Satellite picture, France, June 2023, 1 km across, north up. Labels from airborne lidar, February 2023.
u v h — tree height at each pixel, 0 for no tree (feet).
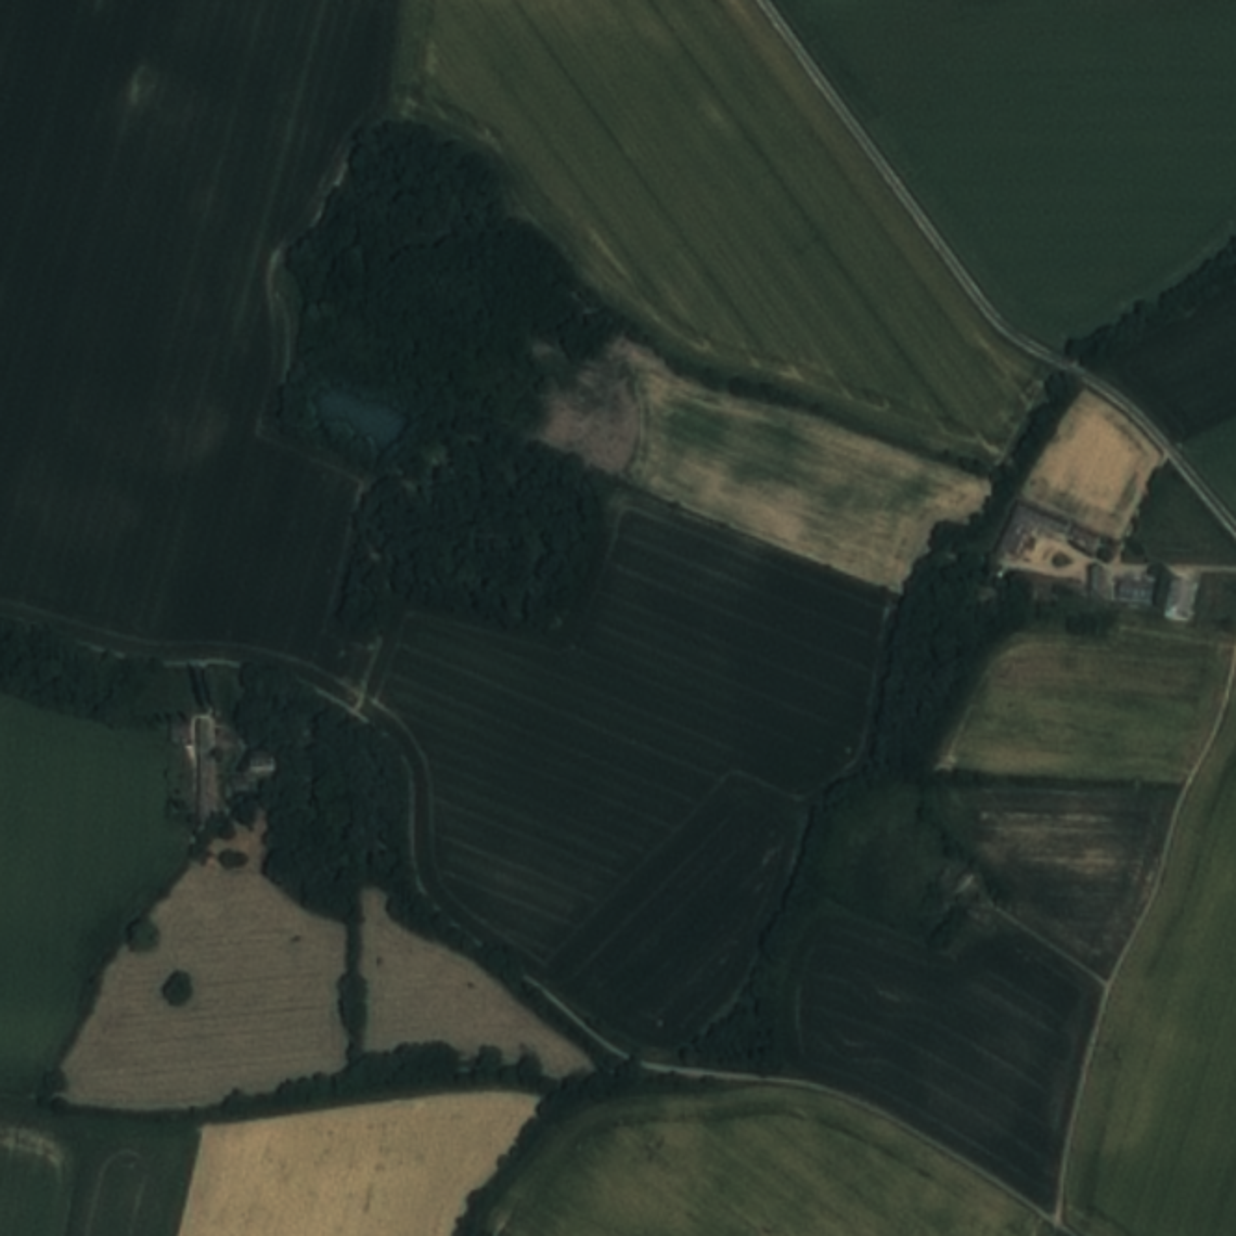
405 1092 45
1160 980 0
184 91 0
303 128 0
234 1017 0
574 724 0
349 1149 0
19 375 0
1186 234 0
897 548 0
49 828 0
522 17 0
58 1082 36
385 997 0
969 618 52
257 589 0
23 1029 0
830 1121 0
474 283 51
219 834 28
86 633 0
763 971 38
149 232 0
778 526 0
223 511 0
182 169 0
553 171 0
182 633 0
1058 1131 0
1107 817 0
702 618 0
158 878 0
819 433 0
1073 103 0
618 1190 0
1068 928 0
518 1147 28
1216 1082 0
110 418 0
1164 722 0
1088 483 0
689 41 0
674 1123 0
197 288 0
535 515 85
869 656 0
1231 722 0
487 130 0
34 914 0
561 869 0
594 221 0
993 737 0
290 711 64
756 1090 0
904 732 58
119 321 0
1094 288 0
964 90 0
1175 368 0
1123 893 0
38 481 0
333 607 0
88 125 0
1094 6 0
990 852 0
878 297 0
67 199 0
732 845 0
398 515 72
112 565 0
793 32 0
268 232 0
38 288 0
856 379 0
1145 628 0
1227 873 0
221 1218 0
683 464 0
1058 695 0
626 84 0
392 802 81
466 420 82
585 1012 0
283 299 0
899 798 0
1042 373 0
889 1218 0
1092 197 0
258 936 0
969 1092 0
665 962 0
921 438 0
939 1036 0
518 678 0
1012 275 0
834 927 0
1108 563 26
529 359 31
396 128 47
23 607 0
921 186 0
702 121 0
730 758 0
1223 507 0
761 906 0
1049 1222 0
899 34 0
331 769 83
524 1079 33
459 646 0
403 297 70
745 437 0
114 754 0
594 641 0
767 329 0
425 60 0
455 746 0
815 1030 0
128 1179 0
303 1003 0
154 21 0
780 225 0
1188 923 0
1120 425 0
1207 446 0
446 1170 0
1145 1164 0
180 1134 0
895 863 0
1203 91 0
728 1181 0
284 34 0
